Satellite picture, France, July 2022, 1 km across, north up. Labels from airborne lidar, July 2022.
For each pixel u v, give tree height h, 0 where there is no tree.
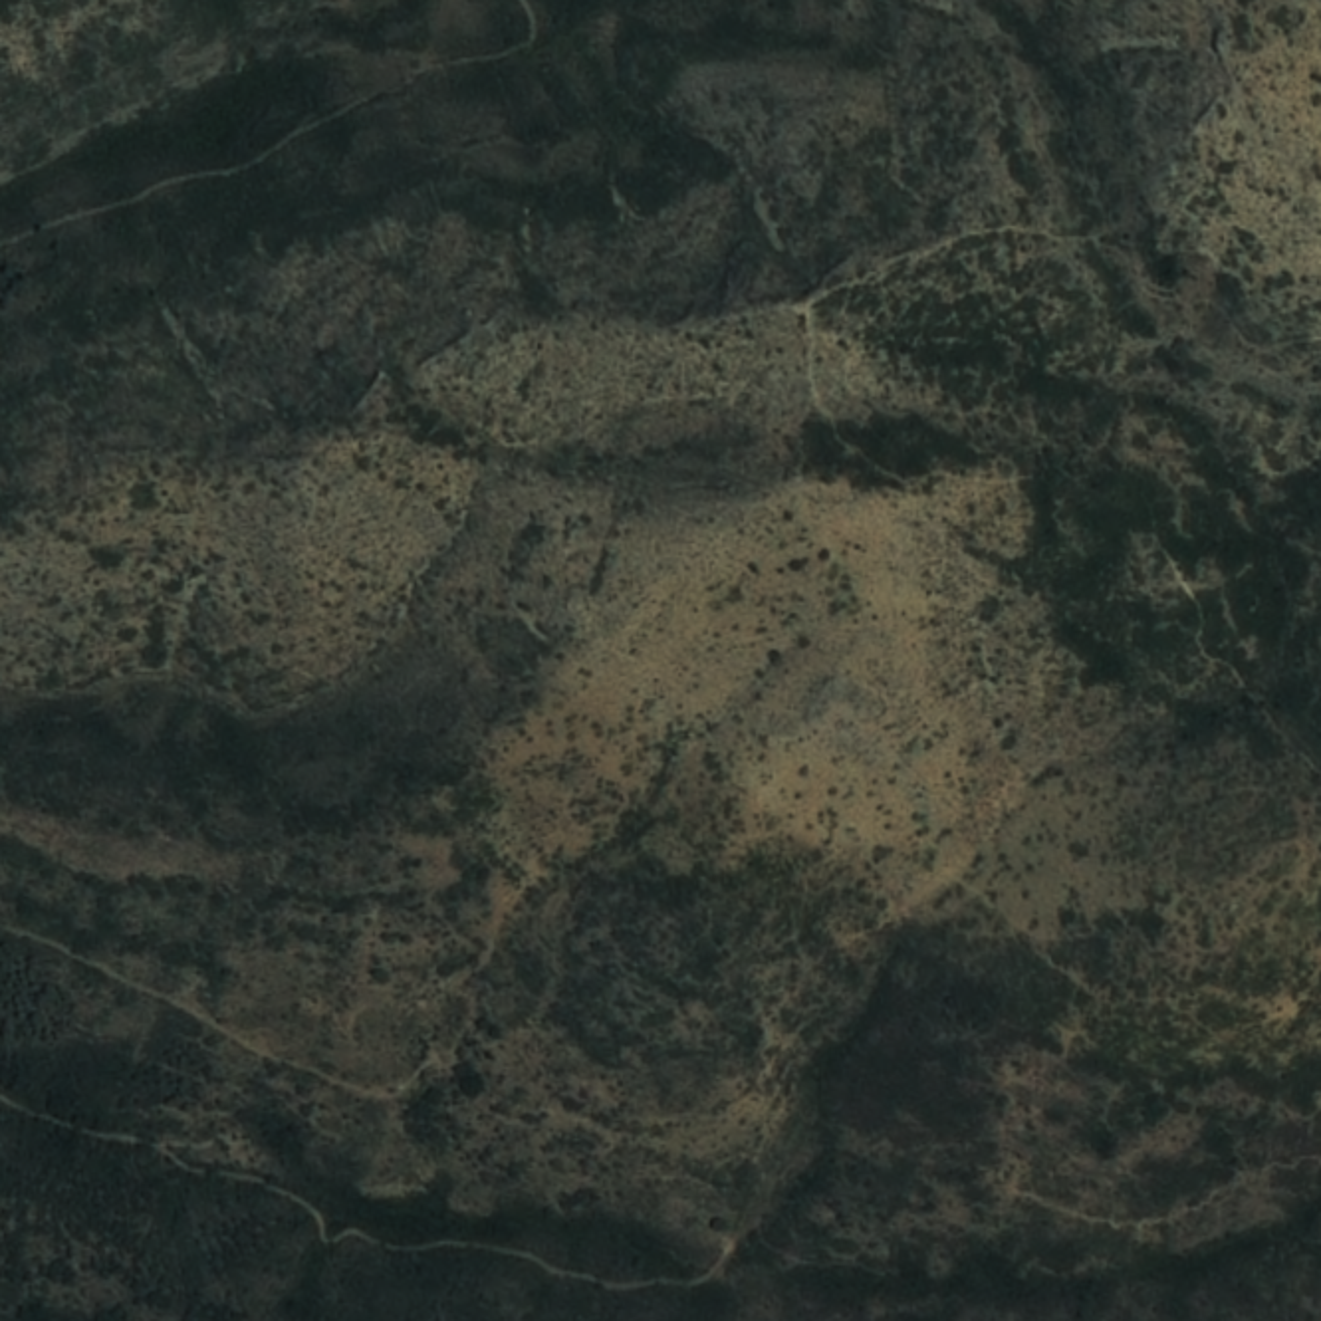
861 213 0
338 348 0
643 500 0
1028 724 0
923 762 0
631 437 0
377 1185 0
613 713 0
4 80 0
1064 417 0
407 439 0
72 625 0
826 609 0
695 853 0
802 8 0
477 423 0
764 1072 0
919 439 0
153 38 0
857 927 0
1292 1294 0
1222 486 0
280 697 0
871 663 0
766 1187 0
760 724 0
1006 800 0
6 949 10
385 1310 0
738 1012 0
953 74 0
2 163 0
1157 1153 0
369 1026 0
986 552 0
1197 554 0
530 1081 0
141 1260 5
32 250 6
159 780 0
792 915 0
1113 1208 0
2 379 0
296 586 0
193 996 0
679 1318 0
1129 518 0
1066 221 0
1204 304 0
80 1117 12
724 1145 0
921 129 0
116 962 0
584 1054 0
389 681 0
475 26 0
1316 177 0
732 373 0
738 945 0
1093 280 0
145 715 0
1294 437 0
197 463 0
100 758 0
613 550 0
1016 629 0
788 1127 0
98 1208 6
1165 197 0
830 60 0
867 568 0
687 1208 0
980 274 0
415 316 0
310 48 0
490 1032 9
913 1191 0
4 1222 5
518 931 0
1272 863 0
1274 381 0
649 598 0
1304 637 0
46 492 0
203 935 5
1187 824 0
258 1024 0
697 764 0
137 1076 8
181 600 0
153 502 0
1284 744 0
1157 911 0
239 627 0
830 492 0
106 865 0
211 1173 7
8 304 11
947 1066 0
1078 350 0
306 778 0
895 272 0
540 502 0
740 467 0
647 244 0
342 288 0
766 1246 0
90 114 0
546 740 0
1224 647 0
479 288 0
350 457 0
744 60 0
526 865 0
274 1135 7
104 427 0
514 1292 0
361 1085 0
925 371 0
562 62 0
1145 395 0
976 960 0
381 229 0
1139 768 0
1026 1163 0
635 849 0
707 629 0
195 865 0
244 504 0
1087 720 0
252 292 0
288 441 0
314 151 0
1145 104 0
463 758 0
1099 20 0
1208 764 0
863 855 0
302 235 0
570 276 0
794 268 0
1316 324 0
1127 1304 0
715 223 0
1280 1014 0
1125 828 0
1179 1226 0
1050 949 0
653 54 0
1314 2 0
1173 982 0
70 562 0
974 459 0
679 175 0
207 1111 0
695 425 0
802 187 0
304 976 0
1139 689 0
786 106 0
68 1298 6
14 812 0
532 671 0
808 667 0
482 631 0
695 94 0
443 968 6
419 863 7
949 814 0
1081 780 0
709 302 0
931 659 0
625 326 0
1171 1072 0
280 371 0
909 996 0
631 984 0
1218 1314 0
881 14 0
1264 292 0
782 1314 0
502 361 0
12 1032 10
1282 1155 0
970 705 0
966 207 0
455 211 0
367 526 0
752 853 0
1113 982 0
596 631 0
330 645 0
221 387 0
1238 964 0
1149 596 0
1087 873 0
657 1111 0
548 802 0
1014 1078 0
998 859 0
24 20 0
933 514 0
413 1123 7
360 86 0
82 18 0
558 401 0
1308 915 0
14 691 0
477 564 0
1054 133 0
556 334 0
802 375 0
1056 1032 0
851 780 0
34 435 0
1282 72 0
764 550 0
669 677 0
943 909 0
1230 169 0
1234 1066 0
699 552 0
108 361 0
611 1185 0
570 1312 0
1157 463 0
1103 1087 0
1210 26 0
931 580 0
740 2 0
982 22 0
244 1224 6
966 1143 0
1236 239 0
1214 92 0
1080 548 0
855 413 0
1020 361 0
